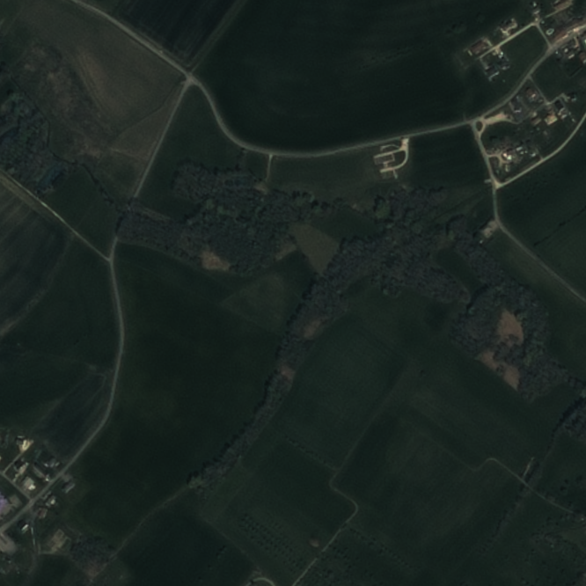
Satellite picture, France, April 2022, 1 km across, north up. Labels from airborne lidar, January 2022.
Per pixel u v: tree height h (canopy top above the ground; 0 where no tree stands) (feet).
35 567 0
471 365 0
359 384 0
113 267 0
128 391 0
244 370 0
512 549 0
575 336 0
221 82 0
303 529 0
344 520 0
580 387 60
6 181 0
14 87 0
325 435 0
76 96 0
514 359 56
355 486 0
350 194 0
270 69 0
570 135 0
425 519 0
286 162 0
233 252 79
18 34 0
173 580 0
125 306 0
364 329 0
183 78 0
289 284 0
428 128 0
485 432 0
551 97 0
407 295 0
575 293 0
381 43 0
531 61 0
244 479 0
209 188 88
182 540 0
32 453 0
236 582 0
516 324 0
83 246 0
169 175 0
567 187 0
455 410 0
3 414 0
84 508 0
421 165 0
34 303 0
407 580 0
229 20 0
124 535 0
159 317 0
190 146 0
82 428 0
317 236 0
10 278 0
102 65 0
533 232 0
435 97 0
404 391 0
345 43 0
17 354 0
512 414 0
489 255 72
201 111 0
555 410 0
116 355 0
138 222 71
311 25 0
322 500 0
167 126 0
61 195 0
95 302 0
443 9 0
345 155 0
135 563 0
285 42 0
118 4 0
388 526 0
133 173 0
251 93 0
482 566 0
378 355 0
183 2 0
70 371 0
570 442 0
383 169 0
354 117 0
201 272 0
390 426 0
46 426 0
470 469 0
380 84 0
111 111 0
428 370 0
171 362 0
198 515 0
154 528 0
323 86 0
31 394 0
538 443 0
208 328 0
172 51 0
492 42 0
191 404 0
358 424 0
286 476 0
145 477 0
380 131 0
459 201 0
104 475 0
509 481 0
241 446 51
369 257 72
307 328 0
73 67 0
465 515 0
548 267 0
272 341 0
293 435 0
